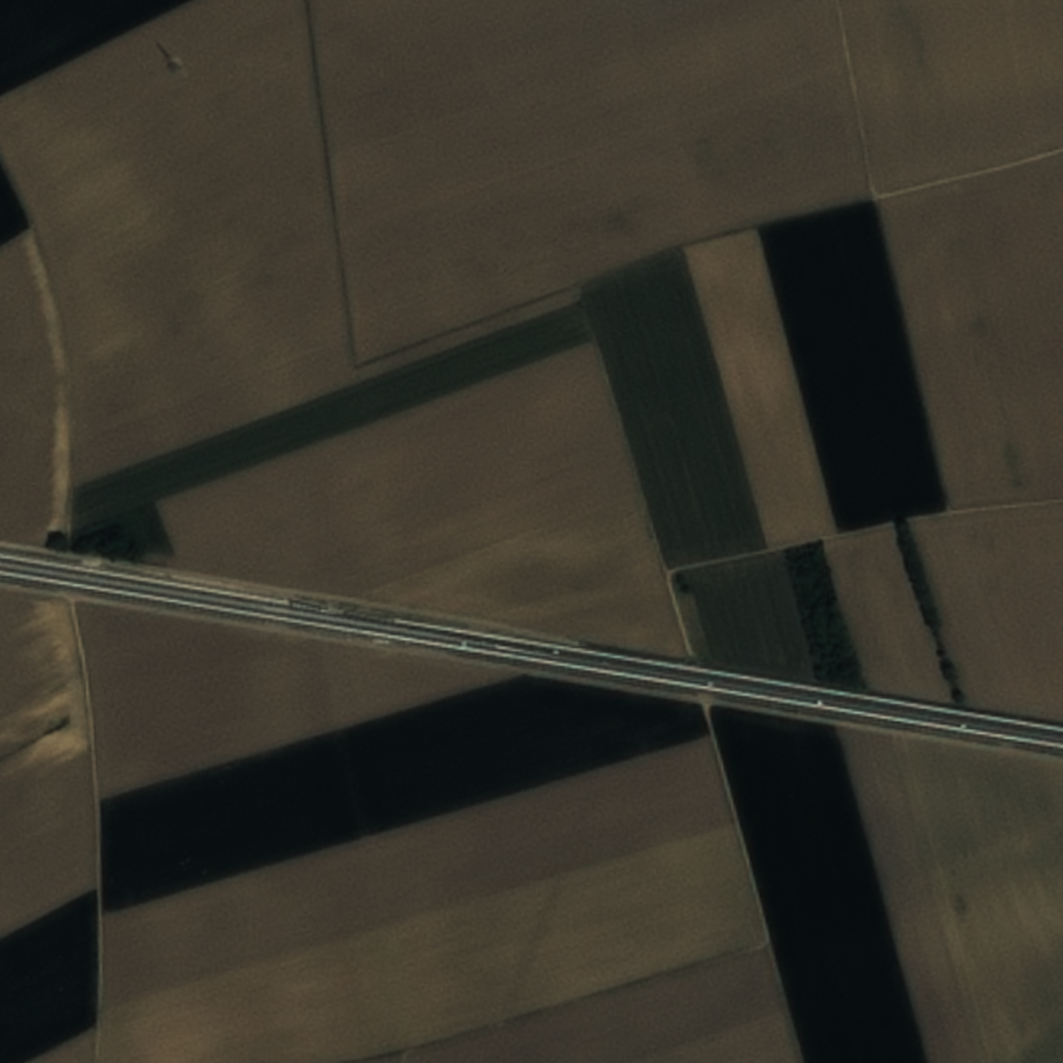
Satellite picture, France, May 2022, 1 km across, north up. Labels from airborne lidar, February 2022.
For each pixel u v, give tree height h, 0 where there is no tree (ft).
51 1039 0
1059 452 0
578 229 0
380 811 0
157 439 0
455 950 0
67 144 0
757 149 0
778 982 0
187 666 0
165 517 0
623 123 0
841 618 37
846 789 0
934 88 0
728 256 0
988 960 0
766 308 0
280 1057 0
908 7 0
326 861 0
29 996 0
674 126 0
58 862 0
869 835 0
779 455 0
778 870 0
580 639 0
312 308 0
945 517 0
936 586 0
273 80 0
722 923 0
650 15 0
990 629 0
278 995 0
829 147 0
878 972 0
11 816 0
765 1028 0
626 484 0
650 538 0
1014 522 0
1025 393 0
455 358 0
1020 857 0
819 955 0
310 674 0
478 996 0
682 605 0
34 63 0
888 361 0
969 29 0
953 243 0
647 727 0
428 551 0
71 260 0
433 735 0
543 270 0
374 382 0
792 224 0
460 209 0
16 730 0
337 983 0
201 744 0
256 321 0
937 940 0
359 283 0
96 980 0
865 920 0
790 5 0
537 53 0
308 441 0
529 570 0
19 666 0
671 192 0
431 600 0
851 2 0
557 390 0
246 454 0
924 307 0
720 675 0
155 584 0
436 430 0
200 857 0
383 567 0
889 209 0
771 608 0
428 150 0
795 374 0
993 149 0
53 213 0
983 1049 0
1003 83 0
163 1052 0
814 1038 0
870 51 0
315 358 0
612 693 0
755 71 0
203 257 0
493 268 0
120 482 0
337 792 0
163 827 0
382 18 0
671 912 0
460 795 0
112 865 0
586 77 0
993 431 0
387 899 0
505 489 0
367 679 0
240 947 0
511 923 0
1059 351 0
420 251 0
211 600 0
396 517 0
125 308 0
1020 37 0
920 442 0
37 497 0
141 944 0
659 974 0
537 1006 0
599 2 0
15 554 0
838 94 0
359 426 0
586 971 0
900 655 0
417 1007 0
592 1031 0
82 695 0
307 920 0
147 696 0
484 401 0
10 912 0
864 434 0
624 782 0
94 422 0
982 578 0
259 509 0
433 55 0
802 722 0
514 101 0
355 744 0
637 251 0
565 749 0
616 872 0
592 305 0
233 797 0
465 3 0
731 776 0
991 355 0
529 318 0
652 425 0
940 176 0
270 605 0
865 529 0
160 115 0
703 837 0
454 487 0
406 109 0
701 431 0
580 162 0
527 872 0
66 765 0
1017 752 0
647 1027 0
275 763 0
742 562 0
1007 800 0
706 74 0
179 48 0
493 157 0
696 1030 0
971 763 0
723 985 0
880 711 0
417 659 0
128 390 0
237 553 0
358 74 0
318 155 0
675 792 0
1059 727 0
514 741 0
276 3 0
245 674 0
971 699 0
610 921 0
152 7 0
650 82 0
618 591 0
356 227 0
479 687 0
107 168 0
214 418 0
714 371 0
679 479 0
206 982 0
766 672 0
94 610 0
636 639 0
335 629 0
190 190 0
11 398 0
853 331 0
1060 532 0
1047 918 0
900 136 0
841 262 0
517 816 0
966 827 0
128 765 0
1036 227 0
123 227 0
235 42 0
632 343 0
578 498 0
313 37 0
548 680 0
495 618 0
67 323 0
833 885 0
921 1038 0
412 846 0
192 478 0
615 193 0
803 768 0
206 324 0
